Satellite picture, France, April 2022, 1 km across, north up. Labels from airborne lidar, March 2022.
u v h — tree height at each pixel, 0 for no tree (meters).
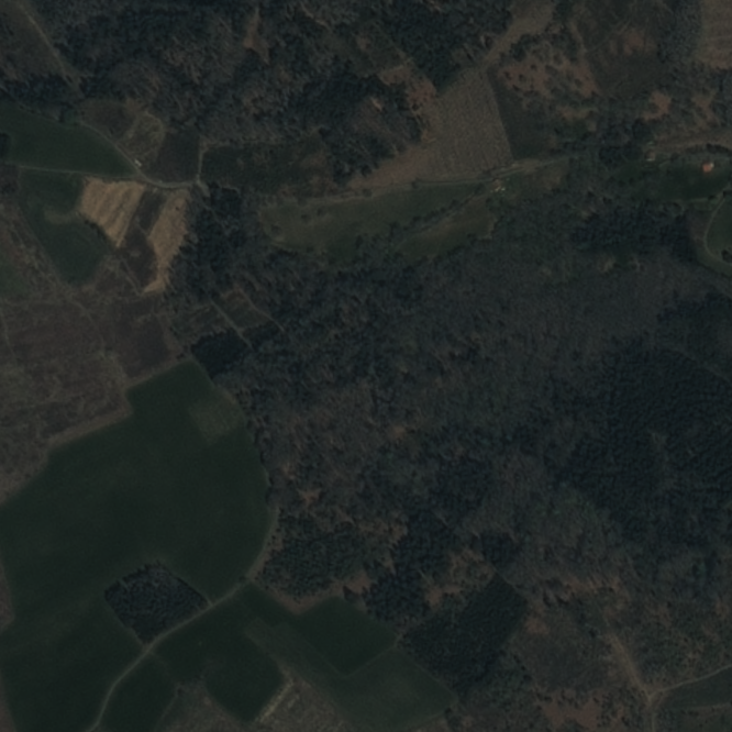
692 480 19
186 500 0
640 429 19
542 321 20
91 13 23
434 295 8
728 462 17
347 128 25
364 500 20
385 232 0
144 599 22
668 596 7
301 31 19
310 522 8
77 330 0
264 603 0
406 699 0
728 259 13
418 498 26
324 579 11
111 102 26
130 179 0
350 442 20
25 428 0
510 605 7
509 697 9
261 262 27
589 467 19
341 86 18
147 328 0
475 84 0
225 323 0
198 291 23
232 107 20
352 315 8
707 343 10
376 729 0
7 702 0
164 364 0
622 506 15
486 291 21
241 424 0
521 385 22
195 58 18
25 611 0
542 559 32
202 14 20
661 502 20
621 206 21
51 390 0
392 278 21
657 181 20
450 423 29
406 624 10
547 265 26
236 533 0
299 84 25
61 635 0
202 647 0
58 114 16
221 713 0
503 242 19
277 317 14
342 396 22
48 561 0
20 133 0
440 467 27
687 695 0
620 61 0
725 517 22
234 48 22
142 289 0
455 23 26
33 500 0
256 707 0
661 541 18
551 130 9
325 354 24
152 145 0
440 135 0
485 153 0
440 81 20
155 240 0
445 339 22
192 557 0
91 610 0
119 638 0
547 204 18
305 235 0
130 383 0
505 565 24
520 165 0
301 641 0
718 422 19
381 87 10
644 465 19
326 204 0
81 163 0
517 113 0
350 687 0
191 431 0
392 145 29
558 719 0
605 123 18
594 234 24
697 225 19
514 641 0
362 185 0
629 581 33
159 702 0
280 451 25
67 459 0
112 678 0
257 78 21
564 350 17
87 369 0
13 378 0
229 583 0
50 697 0
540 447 18
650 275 18
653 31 0
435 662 6
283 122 21
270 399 21
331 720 0
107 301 0
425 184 0
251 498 0
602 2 0
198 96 19
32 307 0
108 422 0
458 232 0
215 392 0
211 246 25
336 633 0
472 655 7
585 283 18
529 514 34
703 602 25
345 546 10
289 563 8
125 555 0
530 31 0
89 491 0
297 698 0
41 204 0
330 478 21
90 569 0
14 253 0
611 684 0
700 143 0
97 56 24
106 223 0
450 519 25
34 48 0
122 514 0
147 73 29
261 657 0
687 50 25
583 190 21
